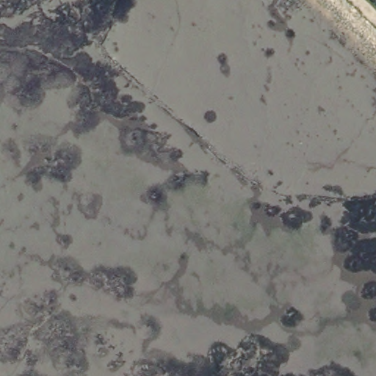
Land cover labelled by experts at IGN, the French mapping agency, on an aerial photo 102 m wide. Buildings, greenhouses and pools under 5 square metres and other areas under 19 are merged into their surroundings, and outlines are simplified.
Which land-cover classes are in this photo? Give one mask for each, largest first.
<instances>
[{"label":"bare soil","instance_id":"1","mask_svg":"<svg viewBox=\"0 0 376 376\"><path fill-rule=\"evenodd\" d=\"M78 0H44V13L51 19L57 18L56 7L59 4ZM90 46L78 48L72 54H65V50L60 48L59 60L38 46L0 47V376H225L222 373V366L238 369L241 354H250V350H242L239 347V342L256 344V354L250 360L251 367L257 366L260 355L267 354L266 348H261L258 344V339L251 338L250 335L254 333L263 335L276 344H285L288 338L300 341L298 350L292 351L288 361L279 366L281 376H313L314 370H319L330 363L345 367L354 376H376V273L372 270L350 272L345 269V258L351 256V251L338 253L333 250L332 239L336 228L350 226V220L344 214L345 201L376 192V62L372 51H364L363 44L355 41L345 31L344 26L326 18L325 13L314 9L308 0H134V7L129 10L126 21L116 22L110 29L88 32ZM35 53L47 56L53 62L72 69L76 78L75 81H70L65 73H60L53 82L41 87V91L46 93L41 104L26 107L12 95V90L19 85L18 79L26 60L34 57ZM81 53H88L93 62L110 65L116 70L115 84L119 90L116 101L122 100L123 95H131L132 100L144 104V110L137 112V116H145L147 122L140 135L132 137L131 132H119L122 119L107 115L101 107L95 109V115L100 119V123L91 131L84 128L82 116L78 112L79 107L87 101V97L79 94L78 87L84 85L90 93H98L100 88H94L93 82L85 81L76 72L73 63L63 60V57H76ZM295 207L311 213V220L304 222L298 229L286 228L282 222V214L285 213L289 219H294L295 214H292L291 209ZM291 307L297 308L303 314V320L295 326H283V316ZM37 12V6L28 7L21 15H15L13 18L0 19V22L15 28L19 23L29 22V15Z\"/></svg>","mask_w":376,"mask_h":376},{"label":"brushwood","instance_id":"2","mask_svg":"<svg viewBox=\"0 0 376 376\"><path fill-rule=\"evenodd\" d=\"M44 0H0V19L13 18L15 15H21L28 7L37 6V12L29 15V22L19 23L15 28L0 22V47L38 46L59 60L60 48L65 50V54H72L78 48L90 46L88 32L110 29L116 22L126 21L129 10L134 7V0H78L59 4L56 7L57 18L51 19L44 13ZM60 73H65L70 81H75L76 78L72 69L53 62L47 56L35 53L34 57L26 60L18 79L19 85L12 90V95L26 107L41 104L46 93L41 91V87L53 82ZM63 60L73 63L76 72L85 81L93 82L94 88H100L98 93H90L84 85L78 87L79 94L87 97V101L79 107L78 112L82 116L84 128L91 131L100 123V119L95 115V109L101 107L107 115L122 119L119 132H131L132 137L140 135L147 122L145 116H137V112L144 110V104L132 100L131 95H123L122 100L116 101L119 90L115 84L116 70L110 65L93 62L88 53H81L76 57H63ZM344 214L350 220V226L336 228L332 239L333 250L338 253L351 251V256L345 258V269L350 272L372 270L376 273V192L345 201ZM292 214H295L294 219H289L285 213L282 214V222L286 228L298 229L304 222L311 220V213L295 207L291 209ZM303 320V314L297 308L291 307L283 316V326H295ZM251 338L258 339V344L261 348H266L267 354L260 355L257 366L251 367L250 360L256 354V344L239 342V347L242 350H250V354H241L238 369L222 366V373L225 376H281L279 366L288 361L292 351L298 350L300 341L288 338L285 344H276L263 335L254 333L250 335ZM313 376H354L345 367L330 363L319 370H314Z\"/></svg>","mask_w":376,"mask_h":376},{"label":"pervious surface","instance_id":"3","mask_svg":"<svg viewBox=\"0 0 376 376\"><path fill-rule=\"evenodd\" d=\"M314 9L325 13L326 18L344 26L345 31L355 41L363 44L364 51H372L376 62V0H308Z\"/></svg>","mask_w":376,"mask_h":376}]
</instances>
